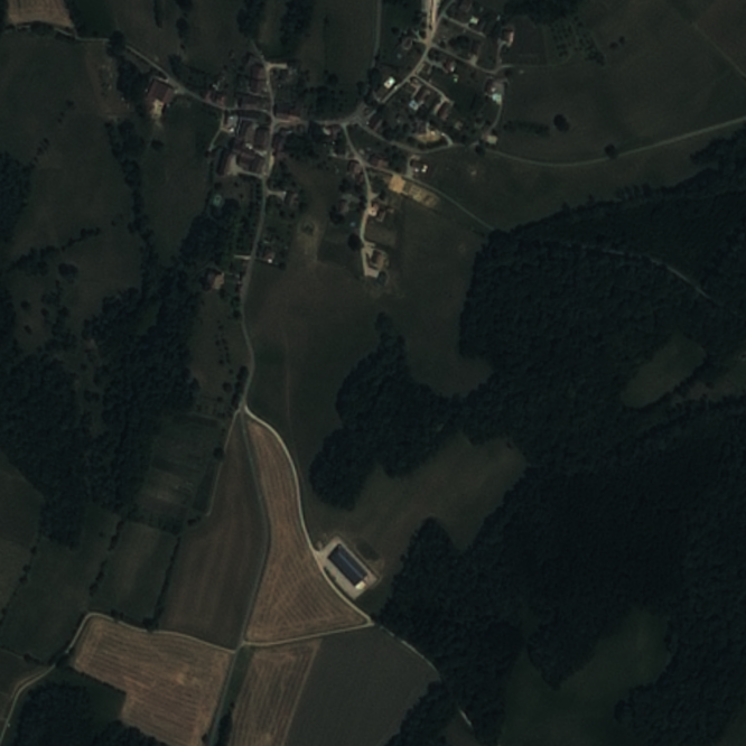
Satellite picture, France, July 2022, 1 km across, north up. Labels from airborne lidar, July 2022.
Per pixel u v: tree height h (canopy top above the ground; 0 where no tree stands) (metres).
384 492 0
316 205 0
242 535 0
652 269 22
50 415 17
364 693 0
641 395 0
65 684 9
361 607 0
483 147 8
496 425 20
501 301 21
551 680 17
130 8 0
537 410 19
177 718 0
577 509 22
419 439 20
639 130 0
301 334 0
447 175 0
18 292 0
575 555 25
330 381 0
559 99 0
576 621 26
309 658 0
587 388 26
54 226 0
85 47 0
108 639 0
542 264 21
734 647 26
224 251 26
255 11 18
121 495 18
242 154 0
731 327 24
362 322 0
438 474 0
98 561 0
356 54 0
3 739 0
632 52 0
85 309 0
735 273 24
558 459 27
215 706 0
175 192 0
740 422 18
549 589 25
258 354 0
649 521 23
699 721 21
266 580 0
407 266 0
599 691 0
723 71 0
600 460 25
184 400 20
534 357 21
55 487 22
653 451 26
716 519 25
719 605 20
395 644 0
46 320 9
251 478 0
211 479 0
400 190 0
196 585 0
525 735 0
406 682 0
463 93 0
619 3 0
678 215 10
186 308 30
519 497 15
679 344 0
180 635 0
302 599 0
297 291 0
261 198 8
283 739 0
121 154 19
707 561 20
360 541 0
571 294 22
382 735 0
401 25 0
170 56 0
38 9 0
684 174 0
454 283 0
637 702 20
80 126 0
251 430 0
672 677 20
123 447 10
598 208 28
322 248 0
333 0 0
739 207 8
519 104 0
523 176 0
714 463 22
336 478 26
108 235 0
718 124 0
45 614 0
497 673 27
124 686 0
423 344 0
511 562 20
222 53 0
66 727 12
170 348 22
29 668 0
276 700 0
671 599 15
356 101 0
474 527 0
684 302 20
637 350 18
